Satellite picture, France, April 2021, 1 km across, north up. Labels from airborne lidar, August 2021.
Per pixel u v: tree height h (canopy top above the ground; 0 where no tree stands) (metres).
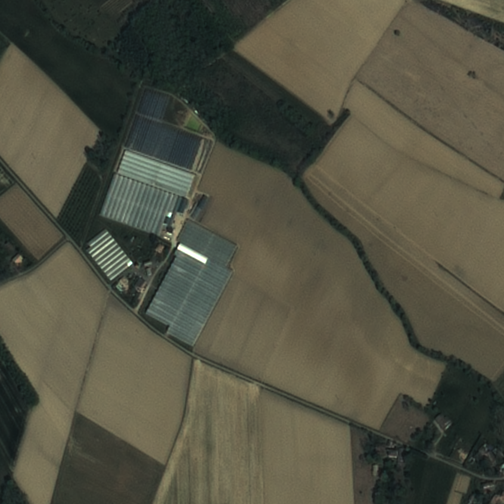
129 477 0
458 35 0
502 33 0
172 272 0
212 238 0
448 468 0
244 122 6
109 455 0
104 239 0
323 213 9
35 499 0
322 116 0
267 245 0
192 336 0
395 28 0
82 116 0
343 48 0
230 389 0
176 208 0
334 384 0
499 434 25
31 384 17
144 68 14
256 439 0
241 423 0
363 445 14
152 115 0
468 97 0
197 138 0
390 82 0
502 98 0
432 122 0
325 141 10
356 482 0
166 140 0
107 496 0
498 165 0
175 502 0
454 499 0
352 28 0
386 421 0
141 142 0
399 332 0
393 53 0
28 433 0
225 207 0
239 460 0
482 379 15
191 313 0
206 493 0
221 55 15
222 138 16
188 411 0
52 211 0
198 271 0
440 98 0
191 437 0
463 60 0
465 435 0
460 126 0
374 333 0
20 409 0
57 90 0
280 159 12
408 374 0
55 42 0
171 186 0
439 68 0
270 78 0
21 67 0
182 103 0
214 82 7
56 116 0
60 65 0
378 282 9
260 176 0
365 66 0
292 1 0
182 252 0
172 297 0
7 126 0
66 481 0
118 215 0
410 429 0
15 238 0
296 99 0
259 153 11
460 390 0
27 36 0
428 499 0
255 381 0
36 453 0
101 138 14
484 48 0
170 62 19
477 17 0
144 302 0
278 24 0
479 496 16
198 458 0
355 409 0
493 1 0
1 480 0
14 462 0
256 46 0
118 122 0
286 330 0
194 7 21
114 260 0
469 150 0
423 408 14
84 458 0
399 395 0
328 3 0
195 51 19
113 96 0
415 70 0
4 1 0
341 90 0
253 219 0
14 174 0
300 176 12
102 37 0
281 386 0
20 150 0
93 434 0
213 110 16
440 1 0
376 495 18
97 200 0
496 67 0
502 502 13
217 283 0
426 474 0
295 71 0
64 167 0
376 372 0
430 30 0
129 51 14
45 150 0
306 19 0
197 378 0
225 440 0
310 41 0
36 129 0
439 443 0
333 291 0
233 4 25
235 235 0
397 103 0
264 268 0
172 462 0
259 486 0
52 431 0
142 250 6
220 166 0
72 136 0
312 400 0
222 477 0
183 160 0
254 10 22
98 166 16
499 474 19
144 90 0
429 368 0
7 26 0
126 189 0
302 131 12
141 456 0
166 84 23
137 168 0
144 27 18
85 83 0
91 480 0
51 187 0
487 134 0
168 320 0
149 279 0
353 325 0
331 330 0
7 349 16
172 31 18
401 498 14
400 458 0
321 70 0
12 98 0
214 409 0
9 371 13
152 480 0
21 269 13
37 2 12
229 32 19
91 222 0
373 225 0
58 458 0
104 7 0
